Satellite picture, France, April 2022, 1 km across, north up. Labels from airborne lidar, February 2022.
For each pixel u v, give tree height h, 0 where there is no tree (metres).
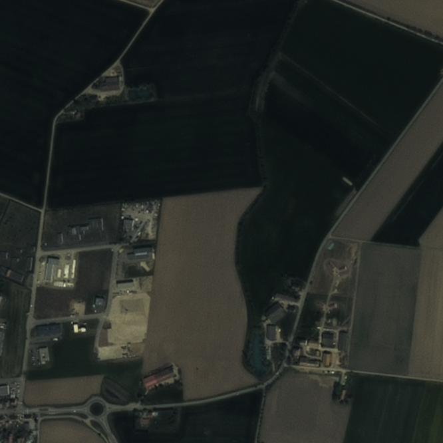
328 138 0
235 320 0
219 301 0
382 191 0
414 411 0
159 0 0
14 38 0
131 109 0
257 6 0
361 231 0
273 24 0
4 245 0
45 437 0
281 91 0
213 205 0
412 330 0
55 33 0
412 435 0
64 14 0
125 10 0
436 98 0
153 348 0
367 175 0
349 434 0
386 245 0
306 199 0
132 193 0
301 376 0
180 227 0
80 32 0
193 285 0
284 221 0
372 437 0
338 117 0
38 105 0
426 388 0
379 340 0
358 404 0
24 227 0
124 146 0
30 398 0
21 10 0
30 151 0
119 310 0
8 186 0
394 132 0
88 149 0
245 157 0
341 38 0
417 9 0
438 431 0
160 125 0
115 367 0
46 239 0
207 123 0
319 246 0
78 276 0
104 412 0
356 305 0
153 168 0
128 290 0
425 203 0
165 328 0
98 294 0
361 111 0
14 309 0
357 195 0
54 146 0
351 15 0
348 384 0
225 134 0
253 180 0
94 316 0
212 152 0
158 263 0
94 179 0
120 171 0
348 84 0
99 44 0
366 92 0
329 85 0
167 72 0
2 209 0
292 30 0
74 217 0
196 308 0
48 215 0
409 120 0
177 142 0
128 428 0
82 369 0
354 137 0
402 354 0
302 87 0
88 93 0
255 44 0
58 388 0
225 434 0
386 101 0
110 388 0
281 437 0
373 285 0
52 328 0
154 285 0
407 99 0
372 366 0
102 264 0
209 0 0
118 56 0
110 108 0
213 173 0
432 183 0
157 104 0
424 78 0
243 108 0
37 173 0
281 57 0
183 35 0
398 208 0
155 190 0
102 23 0
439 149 0
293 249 0
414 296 0
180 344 0
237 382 0
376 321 0
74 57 0
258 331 9
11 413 0
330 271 0
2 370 0
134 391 0
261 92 0
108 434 0
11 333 0
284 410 0
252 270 0
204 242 0
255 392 0
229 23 0
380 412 0
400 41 0
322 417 0
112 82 0
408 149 0
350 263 0
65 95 0
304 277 0
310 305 0
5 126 0
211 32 0
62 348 0
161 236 0
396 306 0
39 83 0
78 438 0
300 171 0
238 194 0
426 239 0
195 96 0
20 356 0
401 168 0
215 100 0
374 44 0
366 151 0
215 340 0
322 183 0
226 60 0
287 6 0
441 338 0
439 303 0
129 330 0
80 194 0
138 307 0
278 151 0
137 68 0
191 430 0
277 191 0
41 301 0
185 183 0
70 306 0
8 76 0
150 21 0
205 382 0
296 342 10
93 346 0
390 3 0
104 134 0
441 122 0
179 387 11
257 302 0
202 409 0
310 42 0
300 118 0
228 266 0
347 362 0
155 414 0
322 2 0
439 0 0
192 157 0
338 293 0
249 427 0
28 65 0
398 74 0
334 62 0
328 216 0
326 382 0
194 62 0
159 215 0
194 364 0
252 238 0
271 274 0
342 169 0
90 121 0
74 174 0
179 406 0
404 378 0
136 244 0
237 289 0
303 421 0
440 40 14
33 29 0
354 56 0
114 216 0
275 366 0
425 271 0
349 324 0
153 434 0
